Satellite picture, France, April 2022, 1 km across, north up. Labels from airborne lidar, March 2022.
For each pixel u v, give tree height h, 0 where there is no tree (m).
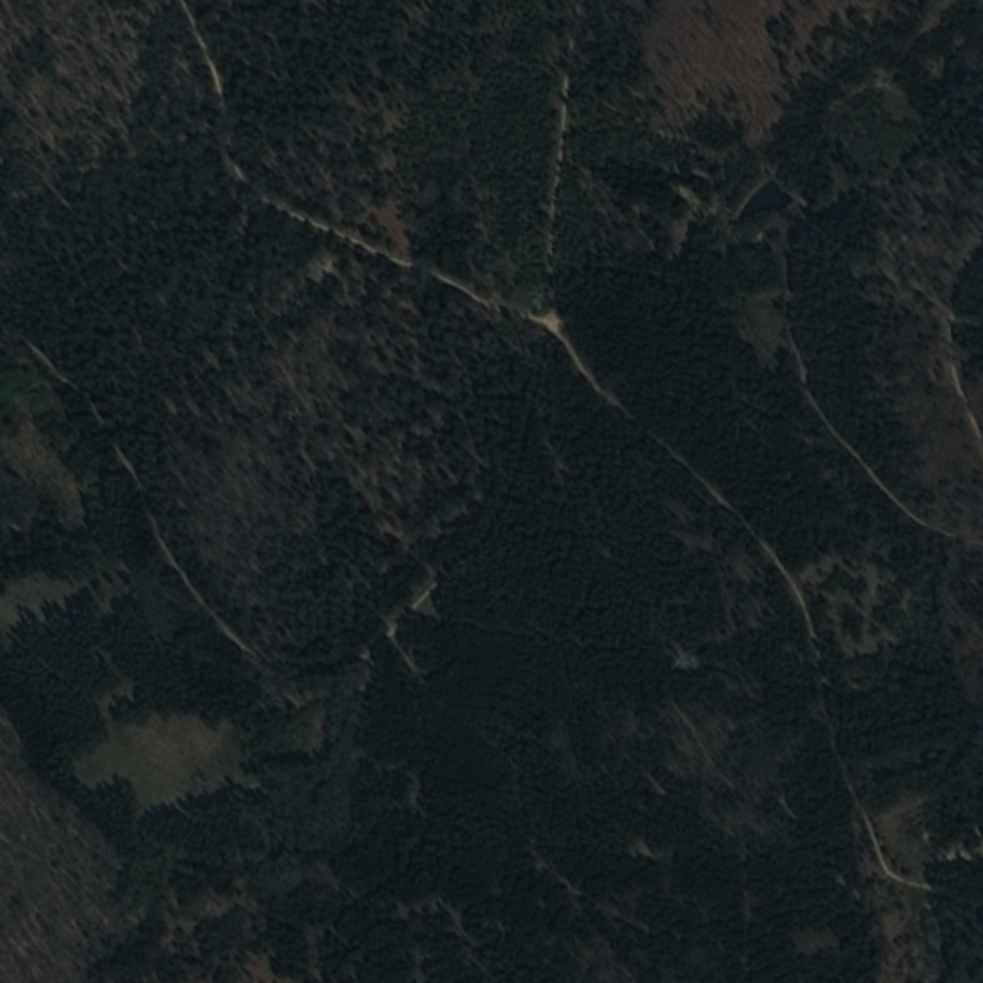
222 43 26
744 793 20
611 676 20
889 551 25
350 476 16
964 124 26
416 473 14
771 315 0
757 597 20
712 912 11
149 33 19
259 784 22
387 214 0
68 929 26
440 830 18
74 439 10
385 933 16
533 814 20
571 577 21
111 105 18
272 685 27
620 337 27
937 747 32
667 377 22
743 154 12
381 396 23
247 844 30
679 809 20
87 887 27
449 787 17
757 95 13
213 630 16
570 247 11
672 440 20
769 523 26
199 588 15
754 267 24
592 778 22
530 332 17
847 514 22
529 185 12
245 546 22
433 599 0
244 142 26
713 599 23
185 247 25
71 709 32
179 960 9
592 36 23
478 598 20
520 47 11
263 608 23
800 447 20
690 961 16
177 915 15
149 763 0
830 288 16
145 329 23
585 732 19
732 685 16
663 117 12
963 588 13
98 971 17
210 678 21
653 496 23
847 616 11
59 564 27
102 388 25
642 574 21
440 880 11
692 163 22
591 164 10
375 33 30
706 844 25
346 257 11
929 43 16
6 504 17
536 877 16
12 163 19
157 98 21
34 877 24
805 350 20
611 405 20
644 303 28
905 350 6
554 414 23
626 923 9
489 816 18
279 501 22
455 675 15
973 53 13
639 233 20
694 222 0
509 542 21
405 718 15
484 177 10
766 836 19
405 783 19
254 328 10
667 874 11
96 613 32
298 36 21
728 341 18
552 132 8
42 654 30
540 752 24
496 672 15
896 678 9
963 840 15
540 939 15
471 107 12
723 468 23
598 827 26
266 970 0
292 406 16
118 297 26
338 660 35
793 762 18
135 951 15
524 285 10
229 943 10
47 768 26
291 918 14
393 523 9
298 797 22
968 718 26
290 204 21
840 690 27
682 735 23
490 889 15
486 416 26
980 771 22
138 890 25
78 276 29
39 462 0
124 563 28
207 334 22
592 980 13
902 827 0
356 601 29
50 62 21
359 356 15
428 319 14
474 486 26
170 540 20
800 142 19
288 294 24
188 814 0
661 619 21
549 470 24
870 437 13
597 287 23
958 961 22
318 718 0
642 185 22
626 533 23
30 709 24
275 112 27
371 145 12
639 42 14
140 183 19
